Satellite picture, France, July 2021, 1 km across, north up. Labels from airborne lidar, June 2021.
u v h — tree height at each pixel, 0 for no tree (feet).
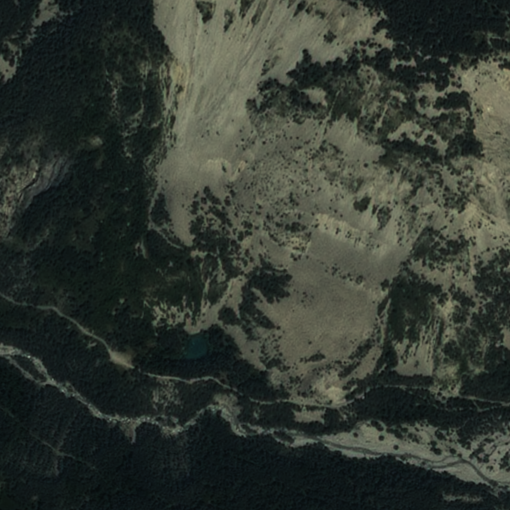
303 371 0
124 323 29
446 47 34
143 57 29
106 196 34
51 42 42
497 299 29
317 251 0
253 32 0
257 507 38
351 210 0
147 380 30
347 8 0
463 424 22
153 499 49
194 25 0
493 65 0
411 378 28
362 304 0
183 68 0
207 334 31
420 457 0
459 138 23
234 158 0
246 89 0
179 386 20
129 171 29
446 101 40
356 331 0
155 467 30
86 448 37
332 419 27
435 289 19
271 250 0
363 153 0
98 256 33
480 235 0
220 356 48
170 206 0
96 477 43
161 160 0
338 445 0
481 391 30
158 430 48
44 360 35
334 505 58
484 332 20
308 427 44
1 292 23
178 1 0
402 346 0
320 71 23
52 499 43
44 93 22
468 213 0
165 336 33
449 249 22
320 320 0
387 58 39
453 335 0
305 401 0
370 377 20
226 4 0
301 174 0
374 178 0
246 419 36
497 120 0
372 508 60
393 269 0
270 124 0
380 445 0
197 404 43
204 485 42
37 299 23
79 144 18
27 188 0
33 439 45
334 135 0
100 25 43
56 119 19
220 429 37
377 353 0
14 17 53
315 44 0
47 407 23
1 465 24
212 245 23
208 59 0
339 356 0
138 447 33
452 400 43
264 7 0
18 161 27
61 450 20
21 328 27
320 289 0
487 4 49
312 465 36
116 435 39
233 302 0
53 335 34
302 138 0
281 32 0
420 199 0
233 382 22
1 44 22
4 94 42
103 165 24
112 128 39
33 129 21
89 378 28
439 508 29
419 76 26
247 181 0
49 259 32
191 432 35
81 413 28
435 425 21
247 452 45
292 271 0
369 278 0
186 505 41
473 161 0
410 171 0
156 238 31
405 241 0
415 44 32
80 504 24
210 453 46
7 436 29
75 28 44
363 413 48
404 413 27
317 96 0
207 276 22
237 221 0
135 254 18
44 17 0
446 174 0
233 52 0
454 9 53
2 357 28
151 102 24
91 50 22
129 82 22
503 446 0
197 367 57
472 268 0
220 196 0
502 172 0
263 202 0
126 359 0
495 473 0
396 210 0
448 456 0
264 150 0
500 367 31
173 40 0
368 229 0
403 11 46
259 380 49
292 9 0
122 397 26
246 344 0
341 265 0
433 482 63
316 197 0
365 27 0
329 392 0
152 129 19
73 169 20
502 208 0
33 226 28
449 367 0
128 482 69
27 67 34
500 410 20
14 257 23
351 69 27
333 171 0
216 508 63
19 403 33
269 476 39
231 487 34
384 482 43
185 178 0
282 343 0
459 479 24
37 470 20
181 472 19
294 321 0
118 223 36
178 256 18
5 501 0
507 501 32
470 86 0
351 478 41
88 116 23
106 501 37
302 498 47
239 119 0
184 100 0
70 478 59
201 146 0
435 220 0
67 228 31
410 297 23
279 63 0
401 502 49
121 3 40
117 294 25
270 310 0
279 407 33
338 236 0
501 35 31
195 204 17
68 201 24
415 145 25
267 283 25
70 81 24
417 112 18
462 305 34
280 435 43
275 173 0
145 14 53
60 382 27
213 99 0
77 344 23
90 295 24
